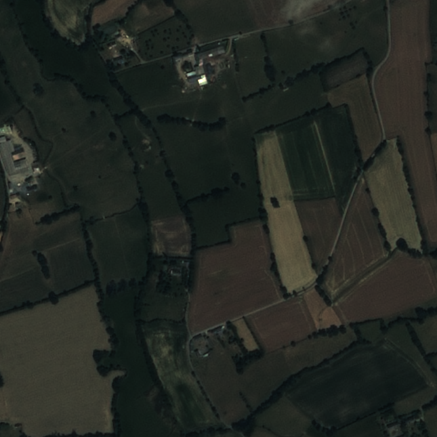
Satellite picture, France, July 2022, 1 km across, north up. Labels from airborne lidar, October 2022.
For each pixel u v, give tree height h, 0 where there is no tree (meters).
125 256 0
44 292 0
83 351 0
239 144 0
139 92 0
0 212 0
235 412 0
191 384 0
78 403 0
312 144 0
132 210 0
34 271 0
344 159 0
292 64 0
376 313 0
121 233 0
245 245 0
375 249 0
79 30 0
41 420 0
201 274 0
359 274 0
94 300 0
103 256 0
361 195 0
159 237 0
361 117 0
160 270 0
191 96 0
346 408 0
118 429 9
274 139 0
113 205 0
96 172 0
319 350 0
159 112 0
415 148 0
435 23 0
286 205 0
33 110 0
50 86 0
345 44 0
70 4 0
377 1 0
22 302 0
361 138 0
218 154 0
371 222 0
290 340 0
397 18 0
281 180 0
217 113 0
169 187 0
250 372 0
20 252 0
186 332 0
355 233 0
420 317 17
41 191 0
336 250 0
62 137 0
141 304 10
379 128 0
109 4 0
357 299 0
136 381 0
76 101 0
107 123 0
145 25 0
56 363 0
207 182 0
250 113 0
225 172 0
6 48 0
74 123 0
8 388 0
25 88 0
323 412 0
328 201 0
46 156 0
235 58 11
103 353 9
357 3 0
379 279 0
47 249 0
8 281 0
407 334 0
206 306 0
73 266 0
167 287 13
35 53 9
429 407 12
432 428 0
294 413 0
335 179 0
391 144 0
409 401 0
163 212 0
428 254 14
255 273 0
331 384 0
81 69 0
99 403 0
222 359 0
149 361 10
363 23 0
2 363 0
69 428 0
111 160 0
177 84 0
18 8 0
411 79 0
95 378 0
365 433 0
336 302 0
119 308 0
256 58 0
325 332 15
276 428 0
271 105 0
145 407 0
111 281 0
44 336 0
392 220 0
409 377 0
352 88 0
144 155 0
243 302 0
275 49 0
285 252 0
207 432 17
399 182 0
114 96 0
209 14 0
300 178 0
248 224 0
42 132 0
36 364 0
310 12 0
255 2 0
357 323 9
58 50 0
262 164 0
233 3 0
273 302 0
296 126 0
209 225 0
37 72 0
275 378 0
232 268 0
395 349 0
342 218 0
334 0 0
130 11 12
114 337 9
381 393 0
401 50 0
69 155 0
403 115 0
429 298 0
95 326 0
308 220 0
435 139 0
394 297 0
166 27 0
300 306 0
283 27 0
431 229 0
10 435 0
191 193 0
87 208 0
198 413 0
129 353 0
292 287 0
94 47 7
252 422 20
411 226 0
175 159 0
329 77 0
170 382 0
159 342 0
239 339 9
